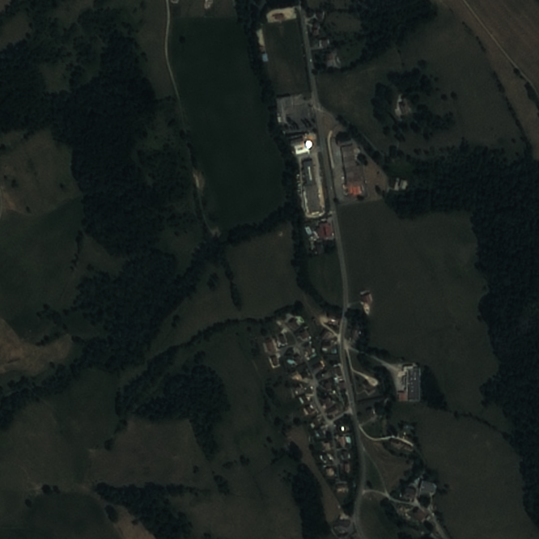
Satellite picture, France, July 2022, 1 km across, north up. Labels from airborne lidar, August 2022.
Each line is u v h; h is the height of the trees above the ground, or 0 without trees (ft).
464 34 0
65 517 0
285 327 0
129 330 102
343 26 0
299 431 0
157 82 0
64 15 0
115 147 79
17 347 0
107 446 20
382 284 0
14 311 0
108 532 0
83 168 61
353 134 58
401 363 0
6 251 0
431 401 45
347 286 0
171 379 76
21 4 28
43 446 0
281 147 31
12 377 0
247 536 0
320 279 0
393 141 0
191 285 21
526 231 96
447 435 0
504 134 0
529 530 0
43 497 0
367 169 0
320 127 0
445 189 74
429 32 0
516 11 0
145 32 0
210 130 0
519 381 95
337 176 0
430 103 0
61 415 0
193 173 0
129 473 0
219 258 67
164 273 83
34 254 0
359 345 54
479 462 0
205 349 0
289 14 0
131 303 76
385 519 0
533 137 0
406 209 82
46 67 0
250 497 0
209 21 0
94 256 0
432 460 0
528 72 0
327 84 0
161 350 0
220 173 0
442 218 0
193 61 0
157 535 51
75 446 0
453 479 0
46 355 0
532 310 85
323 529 77
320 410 0
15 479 0
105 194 63
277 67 0
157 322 52
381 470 0
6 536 0
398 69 0
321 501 63
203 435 53
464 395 0
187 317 0
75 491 0
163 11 0
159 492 62
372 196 0
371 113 0
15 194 0
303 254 72
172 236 0
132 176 88
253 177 0
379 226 0
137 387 82
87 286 58
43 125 40
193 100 0
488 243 64
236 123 0
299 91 0
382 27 58
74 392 0
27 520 0
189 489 24
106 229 68
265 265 0
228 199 0
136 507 56
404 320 0
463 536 0
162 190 30
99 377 0
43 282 0
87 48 33
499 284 68
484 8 0
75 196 0
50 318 44
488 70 0
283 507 0
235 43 0
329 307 50
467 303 0
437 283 0
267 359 0
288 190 44
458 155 18
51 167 0
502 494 0
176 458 0
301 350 0
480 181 63
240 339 0
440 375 0
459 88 0
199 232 0
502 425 0
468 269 0
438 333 0
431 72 0
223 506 0
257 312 0
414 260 0
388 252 0
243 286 0
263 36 0
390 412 39
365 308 0
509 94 0
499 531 0
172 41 0
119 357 80
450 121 32
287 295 0
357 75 0
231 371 0
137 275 55
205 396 41
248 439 0
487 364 0
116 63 53
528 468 66
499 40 0
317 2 0
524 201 96
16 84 57
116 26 25
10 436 0
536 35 0
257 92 0
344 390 18
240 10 59
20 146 0
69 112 63
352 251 0
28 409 0
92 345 52
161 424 0
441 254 0
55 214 0
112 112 79
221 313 0
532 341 87
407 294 0
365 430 0
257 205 0
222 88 0
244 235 52
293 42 0
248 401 0
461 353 0
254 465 0
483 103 0
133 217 59
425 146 0
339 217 0
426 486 0
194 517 0
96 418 0
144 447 0
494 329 76
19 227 0
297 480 68
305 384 0
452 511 0
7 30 0
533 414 91
